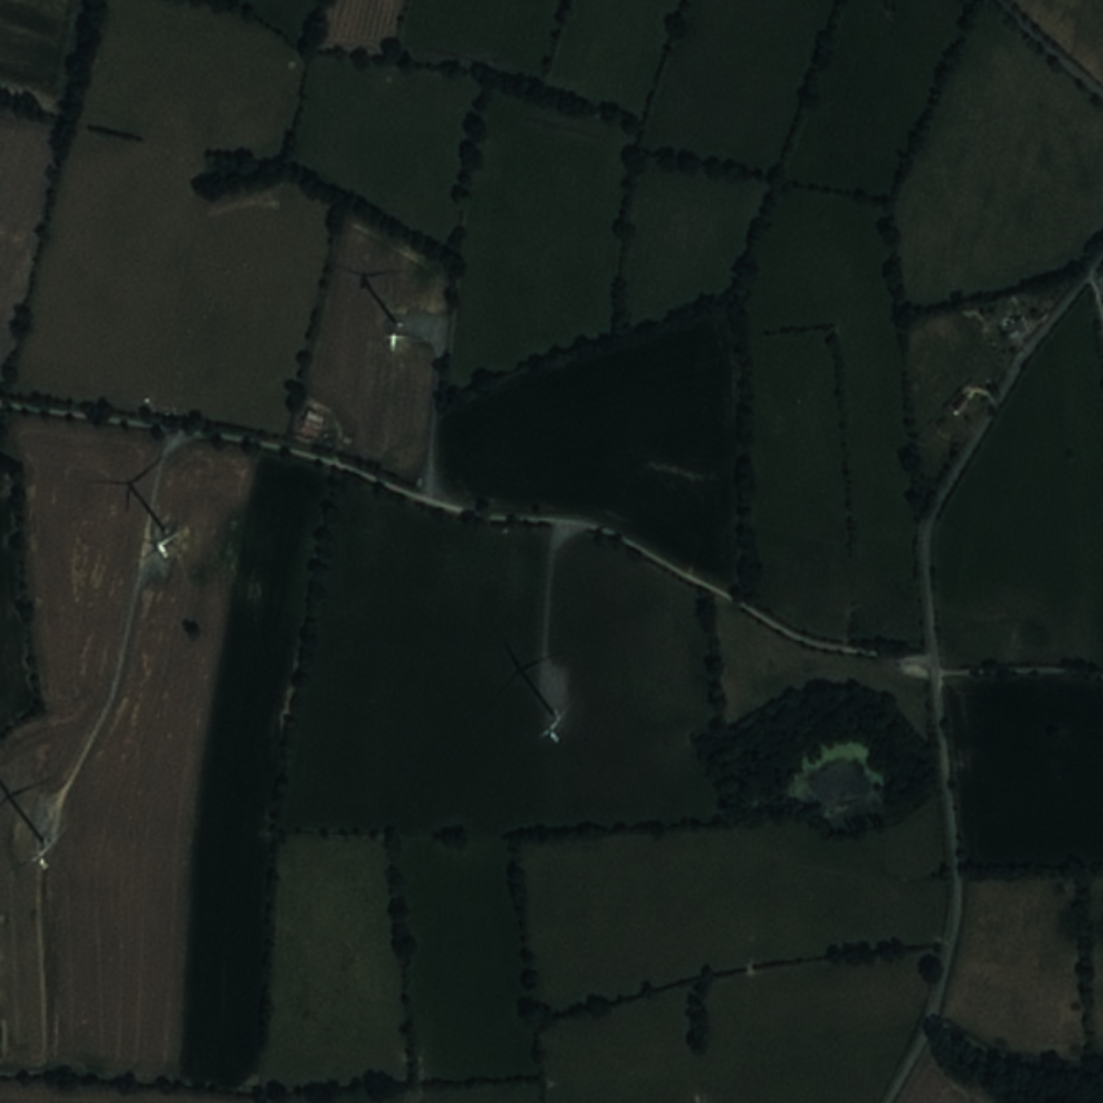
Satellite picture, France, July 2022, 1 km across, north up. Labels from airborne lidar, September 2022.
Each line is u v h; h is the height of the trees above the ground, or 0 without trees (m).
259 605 0
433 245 18
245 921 0
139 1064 0
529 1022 26
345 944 0
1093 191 0
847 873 0
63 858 0
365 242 0
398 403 0
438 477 0
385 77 0
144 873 0
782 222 0
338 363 0
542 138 0
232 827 0
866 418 0
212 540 0
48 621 0
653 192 0
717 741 15
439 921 0
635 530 0
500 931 0
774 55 0
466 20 0
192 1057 0
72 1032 0
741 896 0
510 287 0
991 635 0
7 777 0
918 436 8
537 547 0
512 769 0
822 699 16
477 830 0
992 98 0
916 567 7
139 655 0
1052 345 0
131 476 0
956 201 0
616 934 0
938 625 6
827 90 0
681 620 0
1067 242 0
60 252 0
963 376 0
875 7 0
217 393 0
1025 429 0
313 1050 0
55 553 0
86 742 0
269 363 0
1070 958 0
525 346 0
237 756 0
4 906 0
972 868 18
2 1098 0
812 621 0
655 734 0
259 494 0
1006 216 0
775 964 7
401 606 0
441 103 0
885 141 0
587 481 0
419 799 0
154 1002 0
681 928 0
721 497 0
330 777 0
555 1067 0
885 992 0
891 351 0
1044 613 0
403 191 0
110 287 0
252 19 12
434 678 0
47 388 0
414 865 0
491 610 0
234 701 0
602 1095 0
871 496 0
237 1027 0
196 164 0
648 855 0
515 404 0
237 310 0
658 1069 0
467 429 0
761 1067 0
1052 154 0
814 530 0
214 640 0
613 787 0
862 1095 0
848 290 0
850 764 0
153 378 0
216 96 0
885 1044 0
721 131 0
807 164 0
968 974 0
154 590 0
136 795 0
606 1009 13
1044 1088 30
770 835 0
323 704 0
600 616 0
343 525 0
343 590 0
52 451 0
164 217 0
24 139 0
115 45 0
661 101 0
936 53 0
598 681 0
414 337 0
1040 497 0
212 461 0
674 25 16
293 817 0
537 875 0
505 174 0
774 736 16
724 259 0
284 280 0
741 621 0
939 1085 0
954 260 0
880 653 13
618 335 16
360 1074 0
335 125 0
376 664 0
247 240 0
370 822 0
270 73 0
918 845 0
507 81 15
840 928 0
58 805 0
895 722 18
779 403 0
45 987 0
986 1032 0
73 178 0
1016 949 0
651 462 0
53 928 0
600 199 0
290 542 0
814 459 0
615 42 0
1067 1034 0
